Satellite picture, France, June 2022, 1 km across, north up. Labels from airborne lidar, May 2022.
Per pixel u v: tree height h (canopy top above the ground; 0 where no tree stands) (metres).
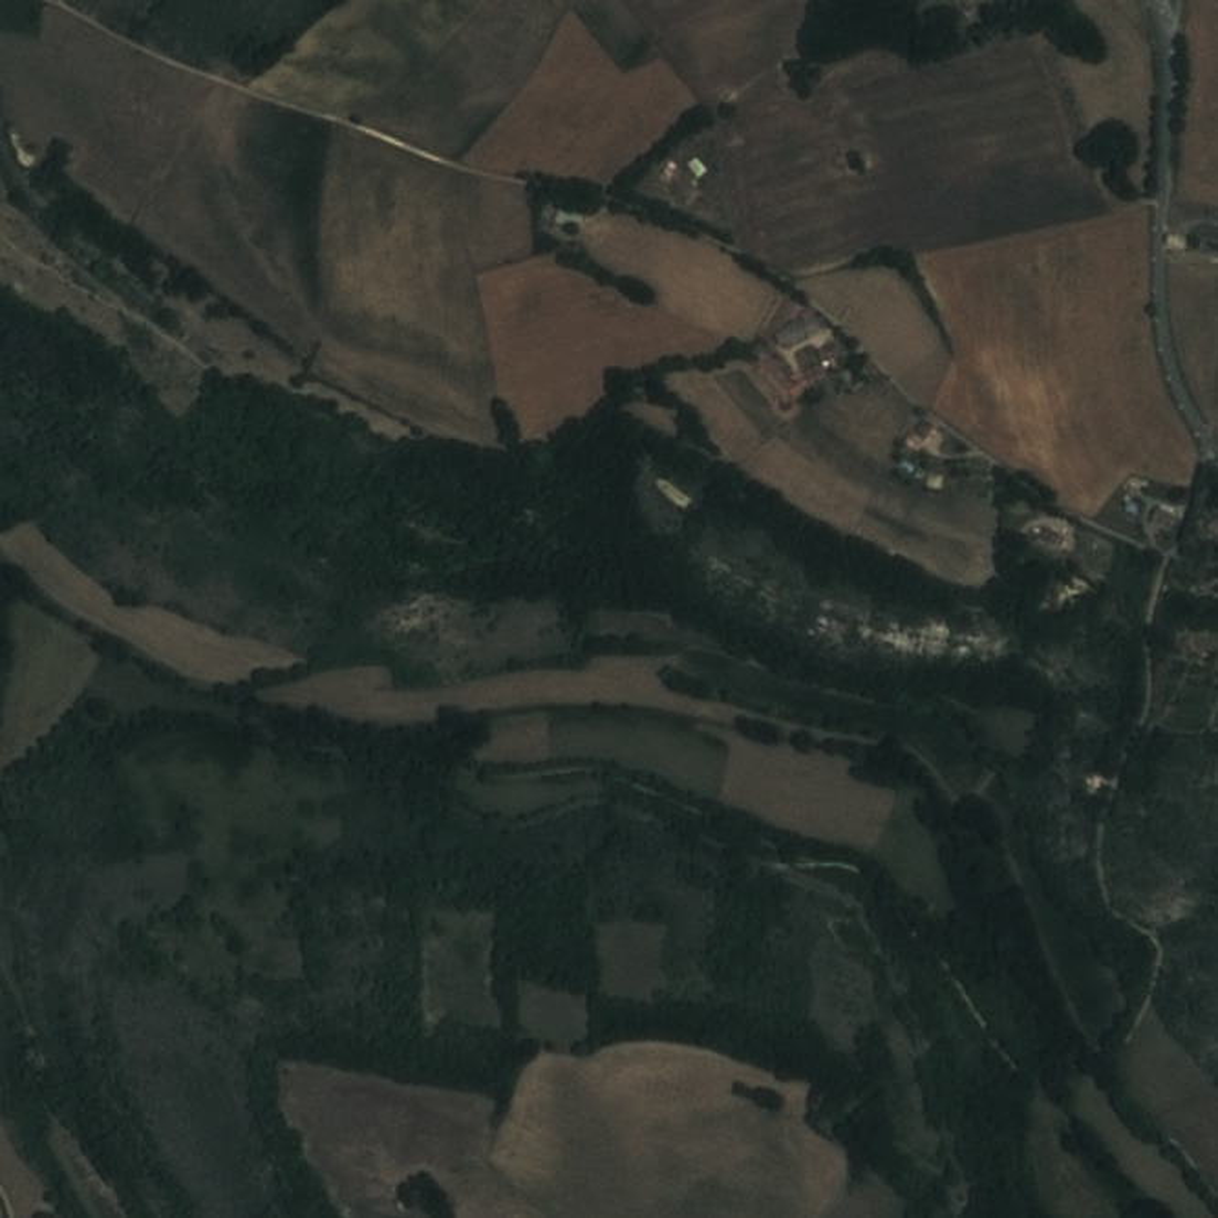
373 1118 0
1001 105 0
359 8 0
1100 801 11
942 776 0
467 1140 0
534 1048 14
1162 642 7
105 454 10
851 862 8
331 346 0
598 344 0
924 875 0
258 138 0
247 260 0
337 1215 8
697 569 6
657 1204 0
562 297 0
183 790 0
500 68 0
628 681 0
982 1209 15
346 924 9
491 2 0
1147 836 8
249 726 13
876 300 0
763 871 8
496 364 0
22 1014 7
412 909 8
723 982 10
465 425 0
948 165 0
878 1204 0
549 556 11
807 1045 12
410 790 13
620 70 0
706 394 0
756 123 0
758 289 0
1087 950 0
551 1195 0
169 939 0
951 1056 11
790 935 7
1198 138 0
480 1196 0
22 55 0
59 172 10
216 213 0
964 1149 10
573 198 11
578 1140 0
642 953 0
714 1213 0
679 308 0
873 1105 12
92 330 9
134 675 0
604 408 12
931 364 0
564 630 9
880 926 16
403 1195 12
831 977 0
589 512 20
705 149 0
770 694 0
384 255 0
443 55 0
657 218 11
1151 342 0
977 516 0
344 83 0
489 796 0
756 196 0
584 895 11
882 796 0
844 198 0
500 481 14
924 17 16
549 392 0
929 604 9
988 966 15
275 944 0
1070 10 19
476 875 12
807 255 0
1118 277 0
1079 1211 0
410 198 0
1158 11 0
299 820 0
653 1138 0
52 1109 7
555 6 0
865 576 6
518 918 11
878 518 0
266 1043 9
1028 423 0
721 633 15
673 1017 10
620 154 0
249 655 0
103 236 13
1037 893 0
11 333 16
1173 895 0
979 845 6
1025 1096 17
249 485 8
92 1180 0
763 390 0
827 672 12
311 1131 0
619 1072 0
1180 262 0
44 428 8
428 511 11
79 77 0
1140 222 0
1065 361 0
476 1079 11
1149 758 11
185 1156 0
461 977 0
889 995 6
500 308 0
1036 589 14
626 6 0
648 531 11
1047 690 10
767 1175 0
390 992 10
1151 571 6
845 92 0
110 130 0
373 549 13
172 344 0
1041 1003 16
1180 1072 0
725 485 14
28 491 7
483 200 0
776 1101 12
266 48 12
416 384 0
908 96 0
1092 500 0
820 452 0
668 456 16
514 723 0
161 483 15
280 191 0
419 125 0
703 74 0
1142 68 0
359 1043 8
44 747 10
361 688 0
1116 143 19
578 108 0
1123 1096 18
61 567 0
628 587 21
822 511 0
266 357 0
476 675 6
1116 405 0
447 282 0
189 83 0
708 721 0
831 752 11
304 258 0
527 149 0
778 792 0
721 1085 0
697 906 0
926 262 0
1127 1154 0
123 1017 0
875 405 0
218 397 8
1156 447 0
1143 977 11
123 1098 8
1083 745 12
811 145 0
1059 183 0
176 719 13
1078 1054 9
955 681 17
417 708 0
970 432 0
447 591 10
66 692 0
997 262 0
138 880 0
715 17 0
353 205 0
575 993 9
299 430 7
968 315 0
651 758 0
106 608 0
